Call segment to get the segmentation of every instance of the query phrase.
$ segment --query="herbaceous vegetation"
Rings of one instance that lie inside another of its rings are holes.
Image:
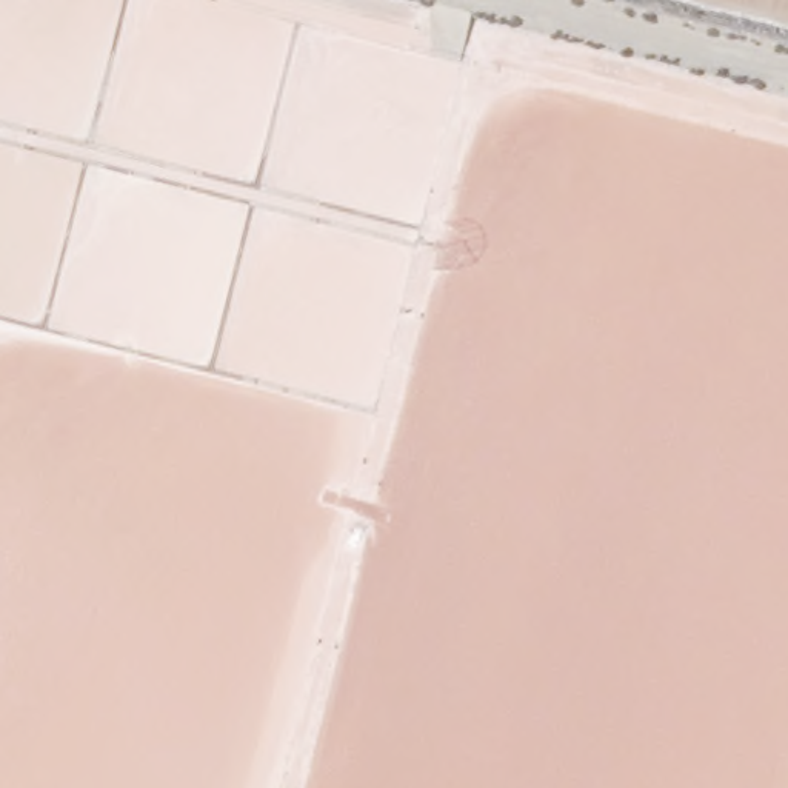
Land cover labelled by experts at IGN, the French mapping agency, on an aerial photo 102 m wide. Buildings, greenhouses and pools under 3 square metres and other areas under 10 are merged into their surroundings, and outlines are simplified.
[[[726,25],[726,40],[748,40],[748,34],[763,34],[776,40],[779,55],[788,55],[788,31],[751,18],[736,18],[726,12],[708,12],[677,0],[622,0],[628,18],[659,22],[665,12],[696,18],[705,22],[708,37],[720,37],[720,28]]]
[[[520,15],[477,9],[468,15],[468,25],[474,28],[486,22],[502,28],[523,28]]]

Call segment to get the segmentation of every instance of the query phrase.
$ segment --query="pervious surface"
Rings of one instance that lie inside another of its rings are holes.
[[[468,15],[477,9],[520,15],[523,28],[502,28],[486,22],[474,28],[468,25]],[[471,105],[483,117],[493,111],[496,102],[505,102],[511,95],[523,99],[529,89],[554,89],[788,148],[788,55],[779,55],[776,40],[763,34],[748,34],[748,40],[726,40],[726,25],[720,28],[720,37],[708,37],[705,22],[696,18],[665,12],[659,22],[628,18],[622,0],[434,0],[434,6],[425,6],[431,25],[431,55],[462,62],[462,74],[471,77]]]
[[[246,788],[305,788],[354,603],[363,542],[376,536],[372,520],[348,508],[339,508],[332,514],[326,545],[311,560],[299,585],[286,649],[274,674],[268,714],[262,723],[259,748],[252,754]]]

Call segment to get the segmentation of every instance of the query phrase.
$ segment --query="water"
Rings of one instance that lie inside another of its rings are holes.
[[[339,508],[348,508],[372,520],[376,536],[363,542],[354,603],[305,788],[788,788],[788,148],[554,89],[529,89],[523,99],[511,95],[505,102],[496,102],[493,111],[483,117],[471,105],[471,77],[462,74],[462,62],[431,55],[431,25],[425,6],[434,6],[434,0],[0,0],[0,788],[246,788],[252,754],[259,748],[262,723],[268,714],[274,674],[286,649],[299,585],[311,560],[326,545],[332,514]]]
[[[736,18],[751,18],[788,31],[788,0],[677,0],[708,12],[726,12]]]

